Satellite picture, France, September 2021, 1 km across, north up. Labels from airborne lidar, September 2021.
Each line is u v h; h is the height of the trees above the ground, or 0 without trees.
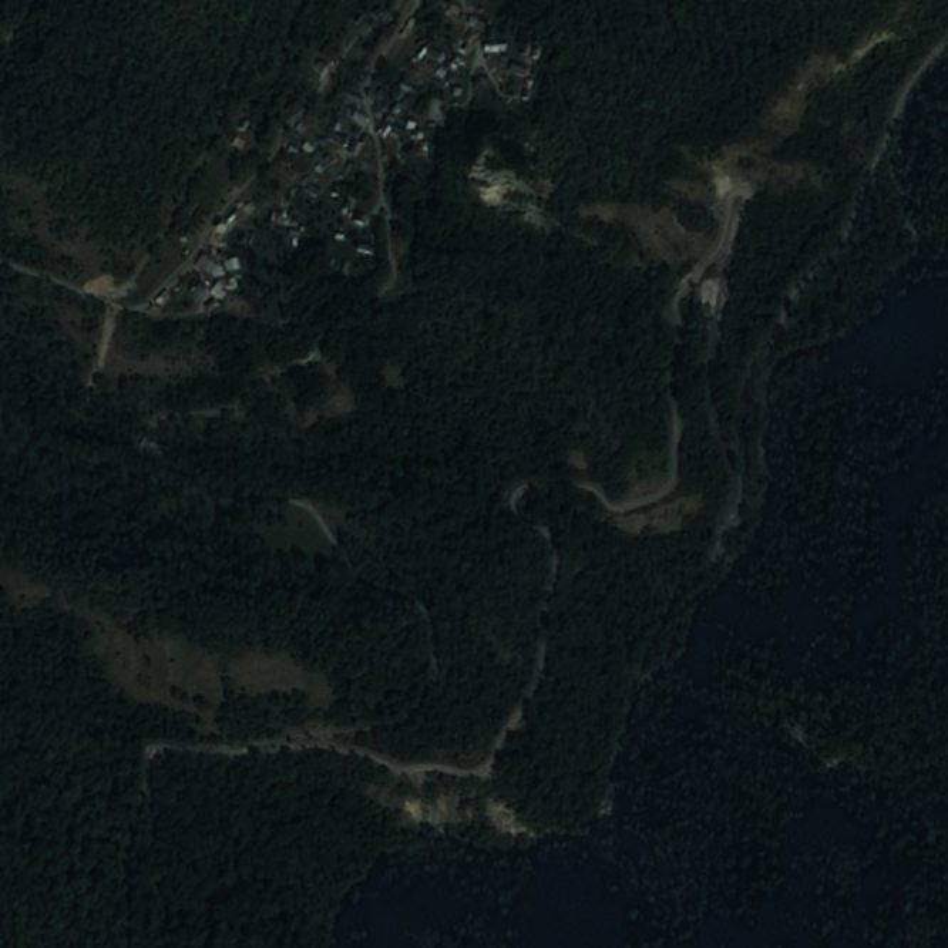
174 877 28
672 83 18
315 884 25
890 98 16
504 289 16
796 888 8
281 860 31
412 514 33
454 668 9
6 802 8
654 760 19
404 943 10
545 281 14
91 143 18
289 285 15
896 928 8
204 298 0
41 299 16
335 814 27
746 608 11
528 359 23
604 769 21
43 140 22
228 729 19
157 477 19
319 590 15
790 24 17
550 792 19
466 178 8
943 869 10
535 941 11
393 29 9
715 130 21
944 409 9
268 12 20
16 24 13
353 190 10
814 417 21
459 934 18
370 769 16
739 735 19
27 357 23
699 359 27
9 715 20
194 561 17
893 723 26
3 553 16
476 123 10
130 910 21
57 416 22
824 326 29
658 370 14
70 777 19
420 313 21
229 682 13
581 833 8
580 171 9
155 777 25
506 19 10
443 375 23
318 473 24
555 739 28
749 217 20
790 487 19
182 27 16
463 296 13
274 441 14
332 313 19
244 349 21
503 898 20
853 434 12
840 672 11
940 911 6
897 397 9
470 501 29
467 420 20
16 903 21
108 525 28
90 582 14
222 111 8
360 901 7
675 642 9
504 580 22
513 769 23
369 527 19
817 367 18
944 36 7
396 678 15
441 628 20
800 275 23
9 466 20
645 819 6
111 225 9
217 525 14
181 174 11
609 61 22
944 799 23
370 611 19
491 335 27
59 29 24
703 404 14
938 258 19
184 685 0
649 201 18
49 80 23
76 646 22
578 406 17
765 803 8
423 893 25
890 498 9
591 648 10
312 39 17
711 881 15
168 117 18
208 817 24
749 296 26
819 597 10
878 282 17
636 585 22
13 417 18
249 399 17
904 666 25
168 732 20
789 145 11
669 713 12
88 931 17
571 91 22
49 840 21
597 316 17
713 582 20
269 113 21
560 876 24
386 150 9
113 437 11
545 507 30
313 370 12
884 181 13
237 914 9
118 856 26
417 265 15
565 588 9
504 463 20
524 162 7
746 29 22
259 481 28
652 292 14
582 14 20
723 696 17
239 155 12
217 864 20
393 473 31
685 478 11
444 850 20
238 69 11
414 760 15
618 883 18
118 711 27
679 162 10
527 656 14
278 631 24
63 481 22
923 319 7
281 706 26
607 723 25
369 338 30
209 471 32
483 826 10
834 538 18
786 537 20
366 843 24
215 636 22
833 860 10
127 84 9
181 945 26
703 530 10
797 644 10
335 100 10
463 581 21
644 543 21
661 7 22
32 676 26
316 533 0
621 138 18
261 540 7
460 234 31
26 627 13
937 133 18
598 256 16
